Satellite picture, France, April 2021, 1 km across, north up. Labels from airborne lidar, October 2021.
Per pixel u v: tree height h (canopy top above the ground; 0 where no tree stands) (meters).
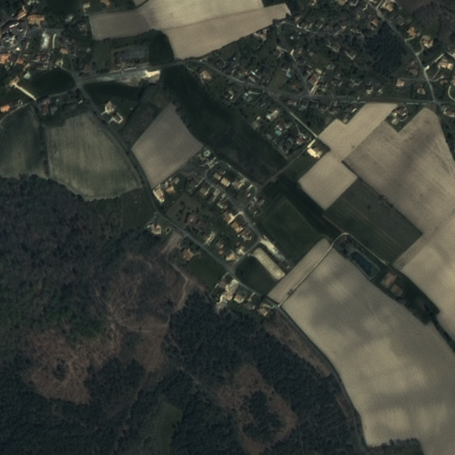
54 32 0
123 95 0
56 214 22
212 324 20
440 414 0
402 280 0
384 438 0
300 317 0
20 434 18
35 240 12
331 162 0
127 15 0
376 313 0
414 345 0
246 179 0
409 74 9
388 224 0
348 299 0
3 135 0
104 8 0
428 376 0
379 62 7
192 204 0
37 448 21
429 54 11
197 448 20
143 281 16
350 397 0
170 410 0
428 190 0
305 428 13
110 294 17
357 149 0
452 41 14
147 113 0
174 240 0
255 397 10
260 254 0
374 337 0
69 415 20
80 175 0
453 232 0
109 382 15
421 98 6
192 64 7
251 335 18
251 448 0
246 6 0
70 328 12
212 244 0
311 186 0
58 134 0
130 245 22
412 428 0
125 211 0
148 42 8
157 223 0
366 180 0
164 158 0
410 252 0
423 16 19
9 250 15
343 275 0
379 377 0
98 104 0
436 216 0
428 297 0
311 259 0
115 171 0
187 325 16
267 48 0
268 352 16
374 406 0
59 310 12
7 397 8
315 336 0
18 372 20
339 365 0
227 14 0
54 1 0
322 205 0
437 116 10
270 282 0
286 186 0
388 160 0
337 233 0
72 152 0
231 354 17
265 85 7
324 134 0
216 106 0
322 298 0
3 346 19
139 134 0
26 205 19
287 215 0
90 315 20
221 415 19
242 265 0
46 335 13
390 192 0
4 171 0
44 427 16
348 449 18
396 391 0
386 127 0
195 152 0
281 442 9
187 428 16
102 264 10
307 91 0
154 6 0
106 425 14
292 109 7
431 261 0
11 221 18
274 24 10
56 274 11
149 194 0
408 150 0
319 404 12
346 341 0
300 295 0
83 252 22
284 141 9
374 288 0
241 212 0
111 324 14
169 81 0
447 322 0
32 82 0
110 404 14
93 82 0
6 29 0
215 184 0
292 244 0
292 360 13
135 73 0
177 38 0
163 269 13
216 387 14
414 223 0
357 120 0
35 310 19
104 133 0
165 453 0
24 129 0
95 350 12
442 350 0
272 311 7
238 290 0
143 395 18
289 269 0
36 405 17
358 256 0
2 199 19
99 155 0
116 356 10
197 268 0
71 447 19
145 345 0
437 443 0
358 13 13
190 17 0
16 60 0
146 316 16
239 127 0
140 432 17
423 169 0
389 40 12
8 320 23
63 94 0
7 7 7
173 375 10
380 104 0
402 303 17
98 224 15
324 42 10
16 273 14
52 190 18
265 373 14
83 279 19
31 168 0
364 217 0
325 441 12
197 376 17
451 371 0
